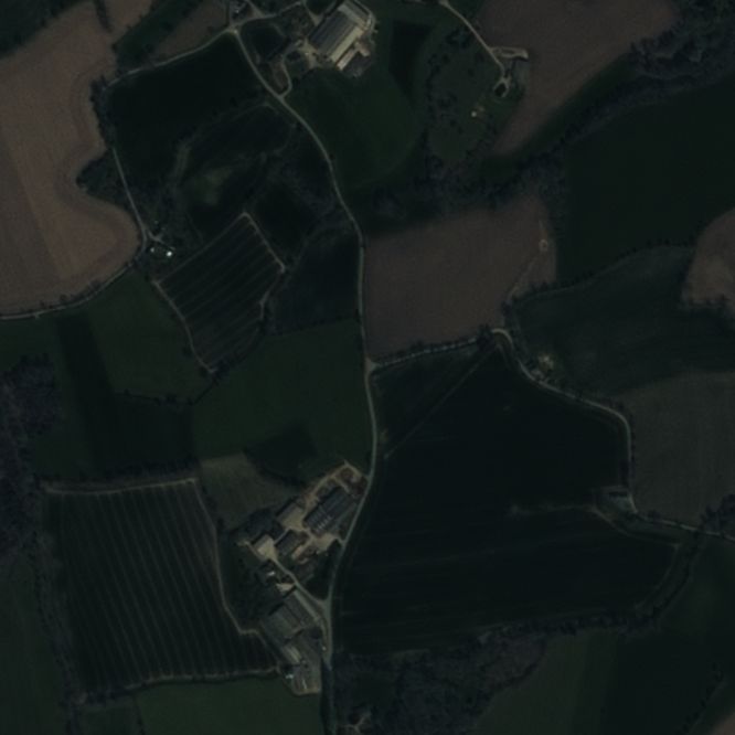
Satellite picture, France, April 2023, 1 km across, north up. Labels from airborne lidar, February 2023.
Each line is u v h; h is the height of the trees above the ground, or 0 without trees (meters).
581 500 0
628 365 0
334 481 0
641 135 0
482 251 0
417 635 0
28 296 0
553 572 0
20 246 0
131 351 0
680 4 16
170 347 0
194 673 0
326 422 0
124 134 0
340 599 0
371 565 0
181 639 0
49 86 0
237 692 0
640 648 0
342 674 22
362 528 0
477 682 7
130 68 7
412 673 19
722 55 23
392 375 0
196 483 0
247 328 0
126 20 0
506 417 0
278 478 10
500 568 0
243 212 0
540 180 17
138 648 0
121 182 7
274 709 0
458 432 0
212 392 0
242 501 0
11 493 21
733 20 16
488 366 0
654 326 0
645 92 18
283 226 0
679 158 0
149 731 0
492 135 11
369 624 0
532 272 0
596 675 0
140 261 11
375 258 0
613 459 0
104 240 0
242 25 0
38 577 13
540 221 0
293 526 0
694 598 0
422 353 21
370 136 0
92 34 0
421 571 0
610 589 0
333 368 0
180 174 0
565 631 11
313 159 0
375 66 0
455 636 0
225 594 0
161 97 0
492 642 14
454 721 30
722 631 0
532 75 0
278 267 0
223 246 0
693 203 0
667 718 0
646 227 0
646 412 0
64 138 0
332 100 0
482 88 0
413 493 0
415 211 0
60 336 0
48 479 8
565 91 0
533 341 0
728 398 0
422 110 0
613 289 0
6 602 0
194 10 11
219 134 0
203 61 0
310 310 0
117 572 0
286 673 0
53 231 0
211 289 0
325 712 18
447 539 0
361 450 0
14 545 18
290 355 0
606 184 0
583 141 0
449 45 7
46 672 0
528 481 0
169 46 0
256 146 0
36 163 0
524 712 0
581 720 0
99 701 14
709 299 0
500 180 0
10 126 0
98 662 0
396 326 0
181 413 0
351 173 0
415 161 0
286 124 0
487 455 0
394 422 0
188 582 0
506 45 0
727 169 0
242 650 0
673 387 0
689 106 0
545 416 0
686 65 21
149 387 0
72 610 0
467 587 0
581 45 0
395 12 0
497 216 0
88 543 0
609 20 0
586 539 0
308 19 0
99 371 0
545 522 0
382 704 0
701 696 0
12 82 0
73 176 0
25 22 0
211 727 0
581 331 0
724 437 0
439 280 0
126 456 0
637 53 25
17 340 0
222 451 0
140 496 0
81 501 0
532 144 0
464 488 0
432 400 0
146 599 0
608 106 16
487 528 0
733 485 0
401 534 0
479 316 0
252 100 15
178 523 0
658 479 0
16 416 9
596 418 0
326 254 0
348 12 0
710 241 0
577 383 0
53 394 23
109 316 0
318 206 20
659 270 0
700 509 0
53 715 0
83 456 0
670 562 0
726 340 0
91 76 0
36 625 0
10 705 0
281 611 0
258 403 0
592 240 0
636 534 0
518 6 0
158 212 0
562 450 0
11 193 0
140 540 0
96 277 0
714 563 0
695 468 0
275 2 14
